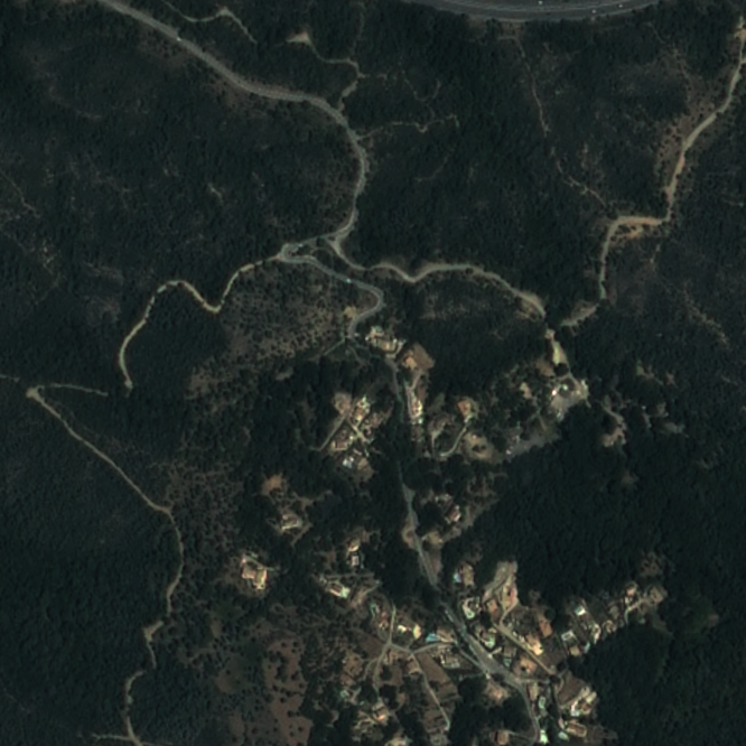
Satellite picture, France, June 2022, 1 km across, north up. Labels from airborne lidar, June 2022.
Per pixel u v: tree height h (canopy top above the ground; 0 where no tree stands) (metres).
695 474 15
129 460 7
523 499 8
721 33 8
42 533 10
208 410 10
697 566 21
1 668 12
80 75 7
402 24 13
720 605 19
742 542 12
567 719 13
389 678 11
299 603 8
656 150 8
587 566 18
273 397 17
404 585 11
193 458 10
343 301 12
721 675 19
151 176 8
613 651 17
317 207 7
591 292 7
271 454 8
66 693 9
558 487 11
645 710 6
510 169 6
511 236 12
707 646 14
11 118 7
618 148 6
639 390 16
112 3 0
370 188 9
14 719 8
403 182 6
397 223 12
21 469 7
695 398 11
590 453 17
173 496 8
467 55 7
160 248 10
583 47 7
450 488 14
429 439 9
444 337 5
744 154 11
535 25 12
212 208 6
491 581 12
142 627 11
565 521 17
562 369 17
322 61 10
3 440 6
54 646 13
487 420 11
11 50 10
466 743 16
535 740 0
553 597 22
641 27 9
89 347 9
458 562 9
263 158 7
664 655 20
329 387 16
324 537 8
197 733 11
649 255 8
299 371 20
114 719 11
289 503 6
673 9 7
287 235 7
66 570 8
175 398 12
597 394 13
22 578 13
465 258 9
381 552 10
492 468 10
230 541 7
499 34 7
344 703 9
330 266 6
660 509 18
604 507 19
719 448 8
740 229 10
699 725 12
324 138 10
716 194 9
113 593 11
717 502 12
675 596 16
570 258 11
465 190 8
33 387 7
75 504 11
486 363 11
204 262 13
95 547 6
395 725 13
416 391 0
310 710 16
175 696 6
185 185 12
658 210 11
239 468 9
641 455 19
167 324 12
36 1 11
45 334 7
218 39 7
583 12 0
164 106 13
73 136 7
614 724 15
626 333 8
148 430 9
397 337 7
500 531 10
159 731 10
